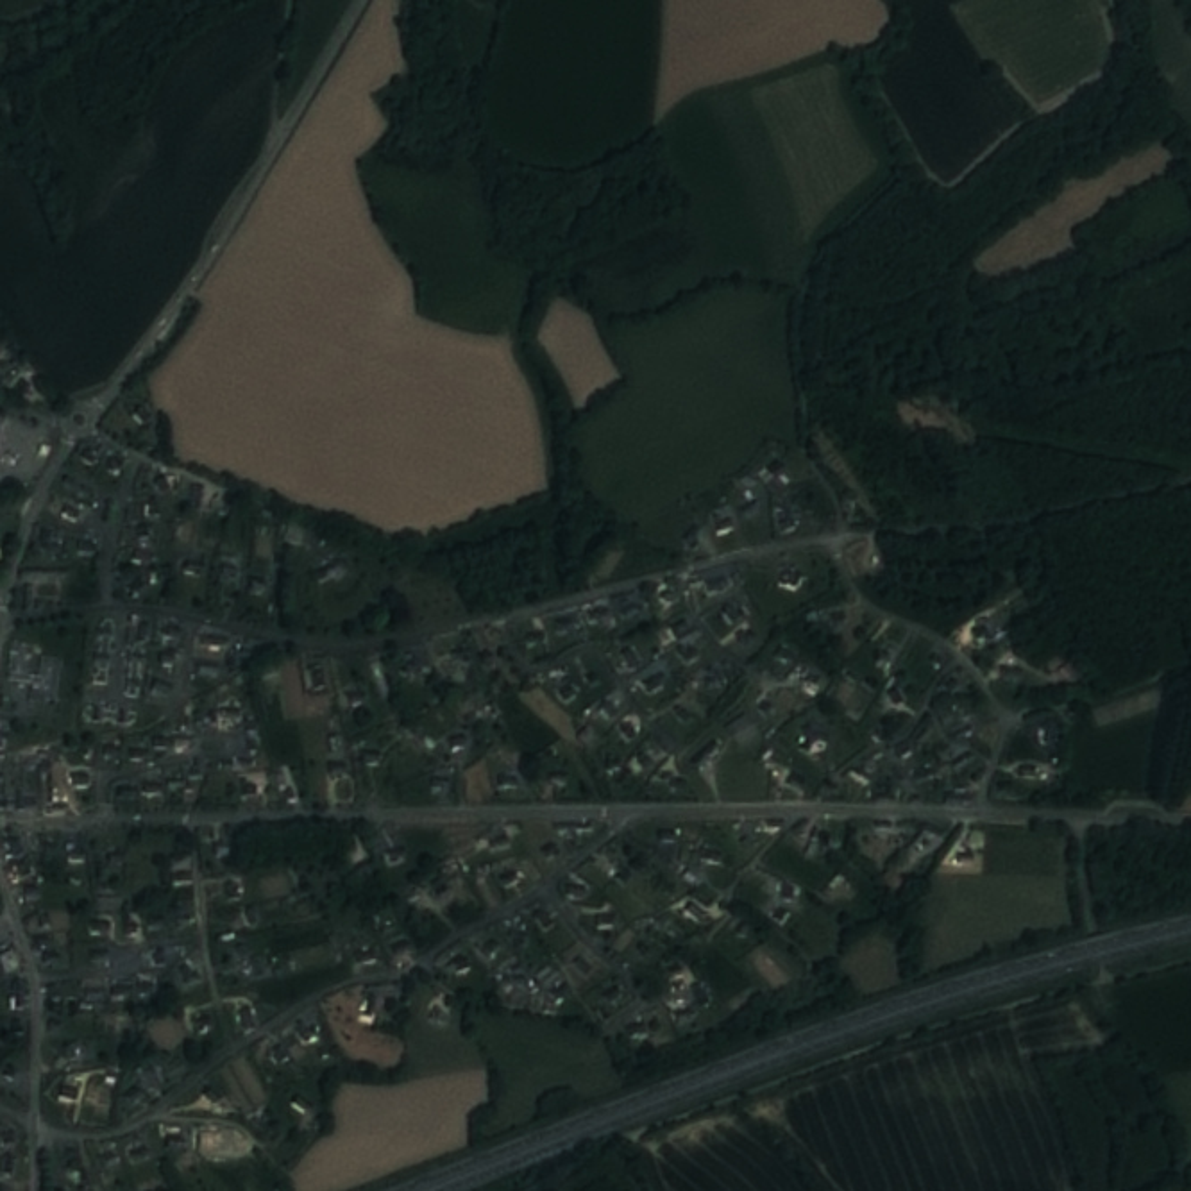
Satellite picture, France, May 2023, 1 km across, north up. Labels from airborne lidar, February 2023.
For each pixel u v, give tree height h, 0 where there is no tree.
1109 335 8
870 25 0
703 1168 0
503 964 0
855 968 0
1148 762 0
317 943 0
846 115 0
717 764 0
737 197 0
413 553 17
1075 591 10
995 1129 0
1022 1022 0
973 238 10
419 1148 0
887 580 12
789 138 0
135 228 0
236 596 7
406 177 0
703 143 0
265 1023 0
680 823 0
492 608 12
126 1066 8
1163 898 6
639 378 0
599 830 0
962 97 0
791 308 6
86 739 10
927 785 0
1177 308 0
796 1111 0
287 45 17
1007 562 0
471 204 0
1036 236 0
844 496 12
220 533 6
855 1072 0
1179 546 12
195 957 0
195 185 0
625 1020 0
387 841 0
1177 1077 0
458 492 0
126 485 0
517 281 0
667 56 0
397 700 14
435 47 14
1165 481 9
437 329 0
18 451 0
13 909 0
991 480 19
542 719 0
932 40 0
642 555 6
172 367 0
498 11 9
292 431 0
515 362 0
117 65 7
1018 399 21
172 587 12
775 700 0
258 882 0
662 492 0
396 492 0
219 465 0
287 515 15
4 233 0
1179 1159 8
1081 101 18
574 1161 16
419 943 9
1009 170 11
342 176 0
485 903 0
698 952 0
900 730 5
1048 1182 0
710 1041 8
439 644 0
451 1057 0
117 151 0
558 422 14
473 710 0
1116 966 0
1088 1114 0
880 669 0
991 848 0
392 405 0
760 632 0
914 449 7
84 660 0
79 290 0
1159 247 0
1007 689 0
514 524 0
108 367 0
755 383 0
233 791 6
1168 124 17
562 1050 0
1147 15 6
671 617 0
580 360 0
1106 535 11
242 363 0
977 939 0
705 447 0
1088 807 8
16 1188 0
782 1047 0
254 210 0
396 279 0
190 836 16
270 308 0
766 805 0
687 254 0
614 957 7
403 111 7
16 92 20
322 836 16
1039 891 0
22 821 0
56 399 11
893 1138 0
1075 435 11
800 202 0
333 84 0
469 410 0
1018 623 11
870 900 7
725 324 0
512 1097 0
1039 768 0
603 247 10
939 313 13
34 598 0
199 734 0
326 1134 11
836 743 0
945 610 16
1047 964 0
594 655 0
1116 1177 7
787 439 0
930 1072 0
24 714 0
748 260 0
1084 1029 0
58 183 16
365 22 0
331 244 0
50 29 14
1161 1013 0
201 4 19
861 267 12
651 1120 0
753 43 0
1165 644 0
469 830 0
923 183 9
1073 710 14
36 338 0
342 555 0
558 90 0
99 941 0
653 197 12
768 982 0
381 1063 0
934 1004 0
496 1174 0
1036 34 0
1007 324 19
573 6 0
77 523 0
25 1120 0
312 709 0
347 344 0
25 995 0
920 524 6
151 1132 0
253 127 0
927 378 9
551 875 0
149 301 0
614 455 0
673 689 0
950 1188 0
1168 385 11
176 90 0
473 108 10
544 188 8
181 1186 8
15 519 0
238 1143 0
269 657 16
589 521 8
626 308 0
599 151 0
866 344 10
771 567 0
